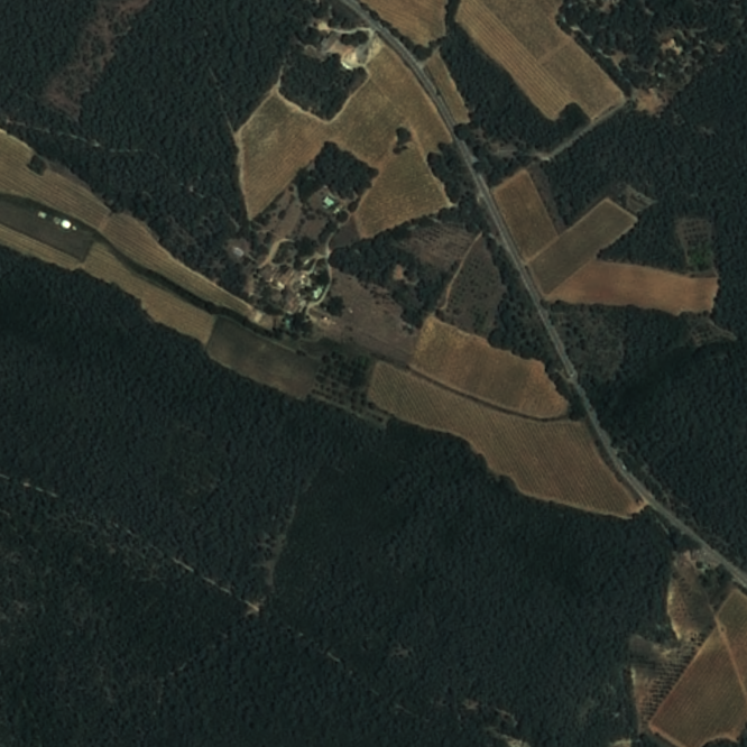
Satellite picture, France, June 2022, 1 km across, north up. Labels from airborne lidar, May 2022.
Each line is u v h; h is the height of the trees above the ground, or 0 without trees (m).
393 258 16
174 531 15
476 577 18
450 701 14
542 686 18
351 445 13
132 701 9
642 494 0
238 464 15
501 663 18
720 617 0
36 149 7
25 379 13
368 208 0
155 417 19
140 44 15
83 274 9
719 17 15
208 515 14
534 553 15
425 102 0
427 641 16
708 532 7
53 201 0
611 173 9
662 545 6
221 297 0
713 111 14
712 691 0
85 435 13
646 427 15
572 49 0
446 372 0
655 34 14
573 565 14
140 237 0
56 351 11
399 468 8
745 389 19
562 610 21
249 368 0
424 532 19
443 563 17
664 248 18
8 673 16
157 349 16
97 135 13
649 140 10
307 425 21
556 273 0
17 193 0
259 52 11
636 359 19
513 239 0
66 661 12
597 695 10
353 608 15
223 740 8
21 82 9
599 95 0
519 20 0
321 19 12
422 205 0
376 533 10
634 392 17
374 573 6
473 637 19
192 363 19
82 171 16
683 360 14
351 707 7
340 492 6
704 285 0
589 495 0
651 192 9
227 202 17
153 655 6
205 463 6
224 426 20
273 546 15
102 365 12
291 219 0
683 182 13
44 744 7
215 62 14
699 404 14
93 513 15
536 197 0
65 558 9
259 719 7
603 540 20
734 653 0
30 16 15
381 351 0
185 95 14
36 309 8
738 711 0
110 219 0
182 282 0
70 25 13
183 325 0
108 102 11
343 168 21
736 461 15
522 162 18
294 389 0
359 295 0
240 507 16
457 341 0
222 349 0
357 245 9
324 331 0
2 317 11
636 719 11
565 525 17
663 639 11
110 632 11
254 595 18
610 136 12
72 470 8
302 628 11
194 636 7
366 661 6
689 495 15
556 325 7
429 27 0
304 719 12
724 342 9
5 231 0
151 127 13
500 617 16
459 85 7
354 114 0
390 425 8
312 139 0
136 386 16
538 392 0
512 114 13
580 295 0
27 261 11
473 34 0
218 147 6
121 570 7
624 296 0
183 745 9
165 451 18
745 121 17
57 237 0
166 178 12
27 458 6
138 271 0
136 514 15
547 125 13
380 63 0
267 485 17
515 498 17
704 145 16
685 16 15
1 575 9
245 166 0
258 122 0
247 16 13
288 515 16
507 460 0
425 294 18
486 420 0
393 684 16
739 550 6
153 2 12
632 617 16
